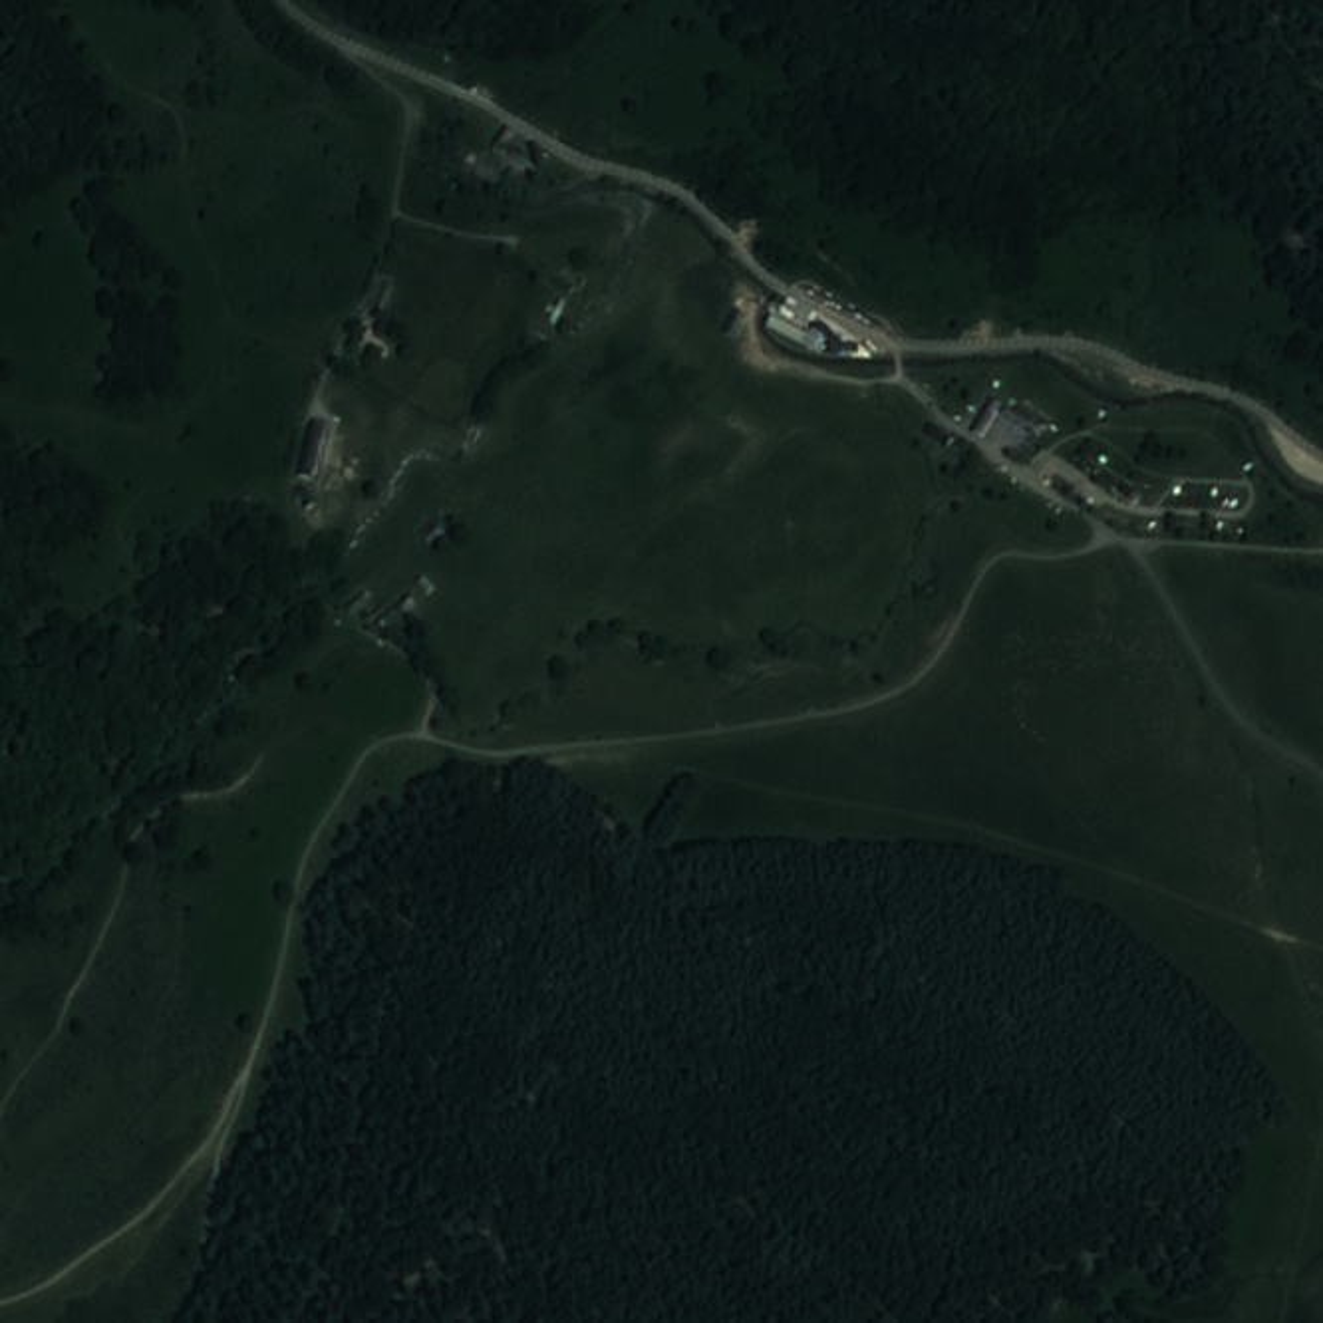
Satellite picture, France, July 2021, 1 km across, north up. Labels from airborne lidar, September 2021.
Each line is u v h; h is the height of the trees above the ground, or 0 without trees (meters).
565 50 8
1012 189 19
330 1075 13
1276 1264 0
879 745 0
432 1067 17
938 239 11
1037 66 21
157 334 18
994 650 0
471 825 23
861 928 24
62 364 0
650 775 0
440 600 0
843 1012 26
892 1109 25
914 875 24
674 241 0
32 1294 0
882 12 21
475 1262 16
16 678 26
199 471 0
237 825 0
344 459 0
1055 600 0
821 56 21
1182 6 30
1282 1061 0
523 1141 23
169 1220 0
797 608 0
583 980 30
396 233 7
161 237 0
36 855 21
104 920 0
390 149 0
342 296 0
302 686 16
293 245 0
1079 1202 26
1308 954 0
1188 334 0
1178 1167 24
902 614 0
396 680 0
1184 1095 27
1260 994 0
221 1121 0
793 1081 26
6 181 26
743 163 7
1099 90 22
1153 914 0
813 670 0
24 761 23
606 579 0
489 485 0
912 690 0
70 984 0
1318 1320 0
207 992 0
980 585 0
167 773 12
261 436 0
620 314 0
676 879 35
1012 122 24
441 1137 15
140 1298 0
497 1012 25
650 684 0
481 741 0
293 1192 13
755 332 0
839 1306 25
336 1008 17
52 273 0
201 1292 18
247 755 0
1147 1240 21
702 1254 25
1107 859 0
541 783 27
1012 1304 21
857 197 19
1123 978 23
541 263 0
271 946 0
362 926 15
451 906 20
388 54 0
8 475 15
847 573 0
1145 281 0
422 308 0
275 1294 16
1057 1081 24
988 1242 23
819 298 0
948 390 9
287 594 15
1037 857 0
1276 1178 0
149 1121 0
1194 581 0
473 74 7
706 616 0
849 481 0
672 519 0
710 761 0
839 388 0
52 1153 0
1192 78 30
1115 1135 26
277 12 26
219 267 0
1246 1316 0
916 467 0
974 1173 25
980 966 28
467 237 0
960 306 0
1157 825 0
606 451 0
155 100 0
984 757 0
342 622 0
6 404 0
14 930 7
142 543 7
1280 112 14
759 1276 25
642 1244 24
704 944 21
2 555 24
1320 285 25
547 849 20
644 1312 25
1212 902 0
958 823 0
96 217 20
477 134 0
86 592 0
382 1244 17
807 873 22
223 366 0
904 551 0
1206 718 0
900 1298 23
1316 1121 0
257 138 0
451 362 0
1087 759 0
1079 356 0
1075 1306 11
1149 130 24
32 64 26
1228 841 0
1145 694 0
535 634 0
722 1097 26
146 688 20
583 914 27
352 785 0
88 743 23
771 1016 24
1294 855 0
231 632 25
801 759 0
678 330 0
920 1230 27
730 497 0
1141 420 0
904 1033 26
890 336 0
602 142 0
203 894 0
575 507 0
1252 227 8
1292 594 0
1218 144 24
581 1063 27
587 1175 27
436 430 0
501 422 0
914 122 28
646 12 0
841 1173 18
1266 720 0
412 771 0
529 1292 19
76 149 22
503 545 0
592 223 0
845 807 0
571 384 0
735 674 0
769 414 0
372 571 0
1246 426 0
